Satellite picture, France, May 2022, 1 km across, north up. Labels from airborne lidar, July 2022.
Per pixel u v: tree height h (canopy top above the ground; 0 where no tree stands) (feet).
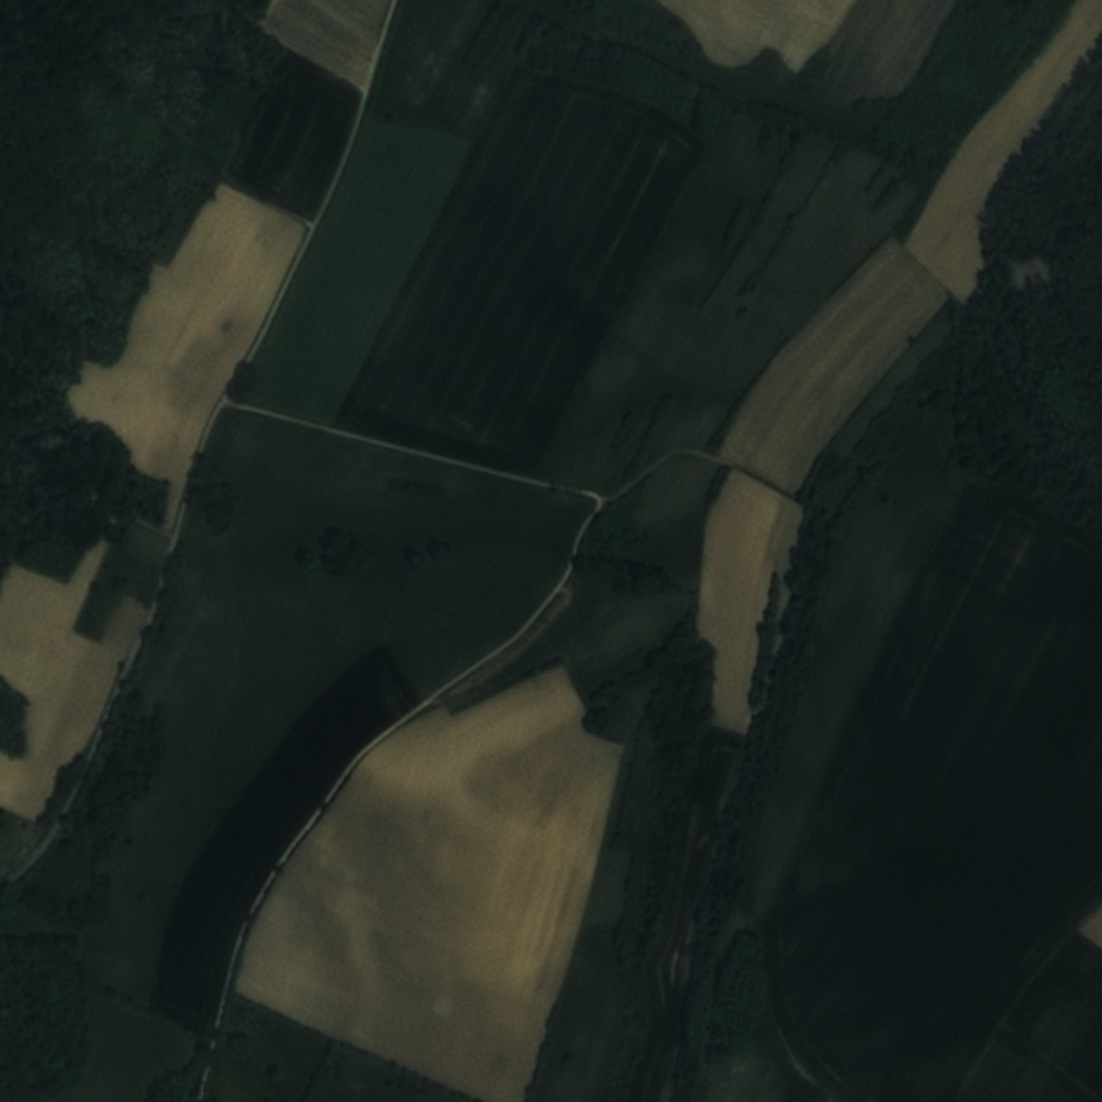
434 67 0
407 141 0
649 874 21
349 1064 0
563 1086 0
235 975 19
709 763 0
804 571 53
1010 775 0
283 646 0
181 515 0
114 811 34
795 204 0
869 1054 0
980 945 0
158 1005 0
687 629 25
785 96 0
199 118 56
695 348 0
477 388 0
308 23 0
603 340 0
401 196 0
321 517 0
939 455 0
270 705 0
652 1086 0
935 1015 0
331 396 0
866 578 0
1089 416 66
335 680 0
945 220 0
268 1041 0
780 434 0
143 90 66
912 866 0
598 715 42
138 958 0
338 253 0
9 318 94
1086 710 0
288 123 0
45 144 83
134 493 52
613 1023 0
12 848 0
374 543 0
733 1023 70
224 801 0
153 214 54
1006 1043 0
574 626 0
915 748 0
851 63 0
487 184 0
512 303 0
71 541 81
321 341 0
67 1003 56
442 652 0
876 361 0
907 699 0
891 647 0
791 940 0
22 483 57
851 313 0
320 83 0
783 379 0
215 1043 39
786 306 0
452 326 0
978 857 0
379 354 0
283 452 0
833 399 0
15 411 23
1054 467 52
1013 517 0
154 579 0
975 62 40
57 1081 62
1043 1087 0
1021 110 0
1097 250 77
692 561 0
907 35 0
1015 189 55
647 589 48
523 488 0
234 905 0
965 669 0
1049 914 0
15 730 56
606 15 36
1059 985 0
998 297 38
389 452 0
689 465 0
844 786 0
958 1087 0
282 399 0
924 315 0
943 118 24
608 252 0
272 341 0
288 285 0
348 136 0
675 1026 0
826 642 0
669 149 0
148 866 0
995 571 0
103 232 86
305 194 0
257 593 0
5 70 89
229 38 94
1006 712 0
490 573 0
